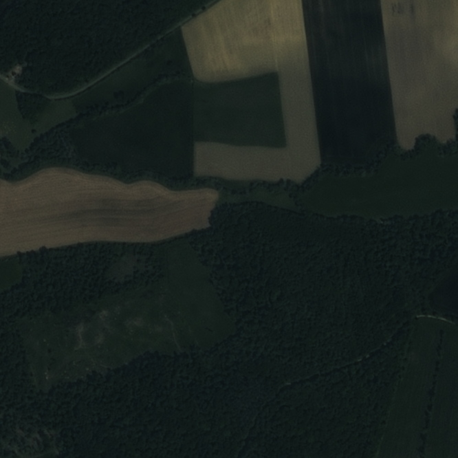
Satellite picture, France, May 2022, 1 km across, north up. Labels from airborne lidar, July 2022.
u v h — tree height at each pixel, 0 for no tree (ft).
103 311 0
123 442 89
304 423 92
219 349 52
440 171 0
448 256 79
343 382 87
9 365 74
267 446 88
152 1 82
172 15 73
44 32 83
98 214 0
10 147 113
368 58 0
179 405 89
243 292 45
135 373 104
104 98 0
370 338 74
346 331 72
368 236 49
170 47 0
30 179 0
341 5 0
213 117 0
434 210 0
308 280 67
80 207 0
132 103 26
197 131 0
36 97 57
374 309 62
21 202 0
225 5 0
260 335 67
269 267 89
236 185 0
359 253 57
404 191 0
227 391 94
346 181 0
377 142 0
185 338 0
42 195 0
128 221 0
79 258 66
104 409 62
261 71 0
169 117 0
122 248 30
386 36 0
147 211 0
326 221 53
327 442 83
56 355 0
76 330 0
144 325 0
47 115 0
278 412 86
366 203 0
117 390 43
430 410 66
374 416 73
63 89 50
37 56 83
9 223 0
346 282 88
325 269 65
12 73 0
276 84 0
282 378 67
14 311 39
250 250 97
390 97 0
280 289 80
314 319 64
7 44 67
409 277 87
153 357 93
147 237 0
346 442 77
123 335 0
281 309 77
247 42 0
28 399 58
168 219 0
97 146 0
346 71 0
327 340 71
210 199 0
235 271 86
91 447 90
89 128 0
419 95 0
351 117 0
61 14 66
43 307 59
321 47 0
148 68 0
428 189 0
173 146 0
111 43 73
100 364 0
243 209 57
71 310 92
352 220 54
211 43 0
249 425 95
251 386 75
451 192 0
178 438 76
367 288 66
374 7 0
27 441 59
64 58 73
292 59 0
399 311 82
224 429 78
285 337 86
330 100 0
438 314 42
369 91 0
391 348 58
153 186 0
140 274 39
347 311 64
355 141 0
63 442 57
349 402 63
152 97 0
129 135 0
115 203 0
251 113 0
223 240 60
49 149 75
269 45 0
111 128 0
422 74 0
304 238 47
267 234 43
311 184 56
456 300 0
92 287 35
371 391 79
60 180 0
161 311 0
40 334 0
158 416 98
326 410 79
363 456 82
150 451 80
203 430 59
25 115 64
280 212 30
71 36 78
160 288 0
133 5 72
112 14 64
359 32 0
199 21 0
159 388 89
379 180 0
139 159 0
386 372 69
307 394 66
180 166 0
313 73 0
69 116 0
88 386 62
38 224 0
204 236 75
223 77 0
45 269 30
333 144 0
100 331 0
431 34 0
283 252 62
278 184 30
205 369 71
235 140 0
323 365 79
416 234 94
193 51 0
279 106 0
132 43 76
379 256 47
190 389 84
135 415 53
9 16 56
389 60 0
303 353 72
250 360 94
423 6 0
